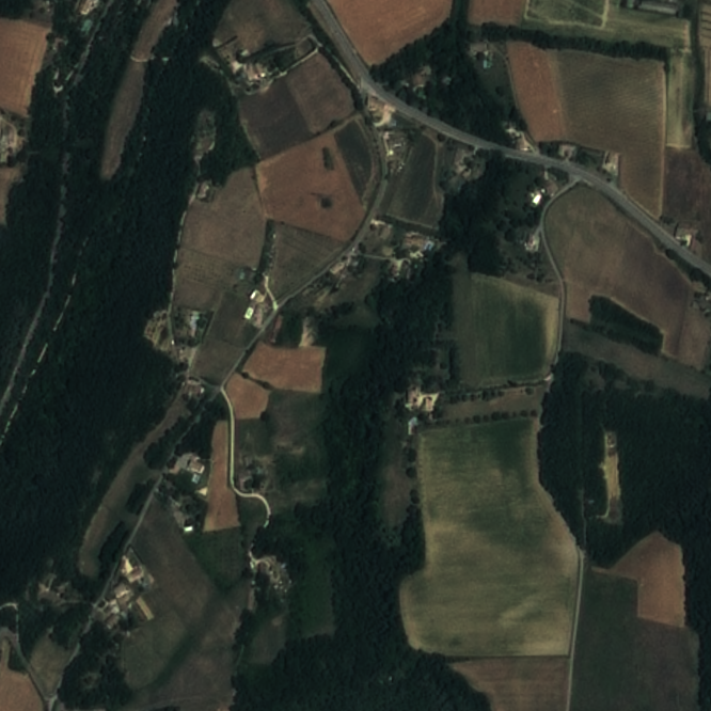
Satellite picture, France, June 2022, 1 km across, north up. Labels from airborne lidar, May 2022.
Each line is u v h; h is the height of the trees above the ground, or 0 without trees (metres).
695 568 13
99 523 0
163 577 0
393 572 18
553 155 15
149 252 8
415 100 8
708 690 16
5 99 0
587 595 0
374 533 12
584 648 0
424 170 0
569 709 0
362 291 0
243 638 14
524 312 0
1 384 8
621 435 8
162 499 9
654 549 0
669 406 7
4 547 10
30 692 0
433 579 0
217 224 0
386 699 10
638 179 0
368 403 15
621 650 0
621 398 8
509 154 0
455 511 0
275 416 0
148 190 12
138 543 0
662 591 0
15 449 17
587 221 0
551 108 0
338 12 0
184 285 0
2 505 14
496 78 0
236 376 0
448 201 13
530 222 7
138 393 8
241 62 11
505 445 0
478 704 11
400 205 0
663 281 0
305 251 0
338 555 10
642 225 0
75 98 18
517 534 0
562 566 0
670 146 0
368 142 0
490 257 9
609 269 0
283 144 0
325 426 12
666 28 0
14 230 13
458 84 15
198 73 9
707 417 16
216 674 0
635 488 9
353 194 0
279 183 0
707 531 10
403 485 0
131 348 7
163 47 14
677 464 10
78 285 13
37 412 14
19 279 10
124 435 6
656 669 0
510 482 0
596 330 7
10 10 11
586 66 0
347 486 9
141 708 0
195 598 0
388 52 0
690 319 0
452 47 16
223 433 0
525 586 0
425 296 18
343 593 13
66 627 14
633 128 0
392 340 22
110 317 11
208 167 10
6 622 9
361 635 12
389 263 7
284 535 9
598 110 0
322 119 0
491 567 0
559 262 0
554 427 12
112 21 16
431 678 17
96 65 18
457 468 0
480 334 0
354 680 15
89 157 22
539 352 0
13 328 16
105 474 9
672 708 0
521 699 0
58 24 6
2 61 0
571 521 12
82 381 6
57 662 0
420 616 0
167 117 9
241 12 0
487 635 0
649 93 0
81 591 14
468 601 0
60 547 7
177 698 0
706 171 0
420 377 13
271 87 0
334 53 9
